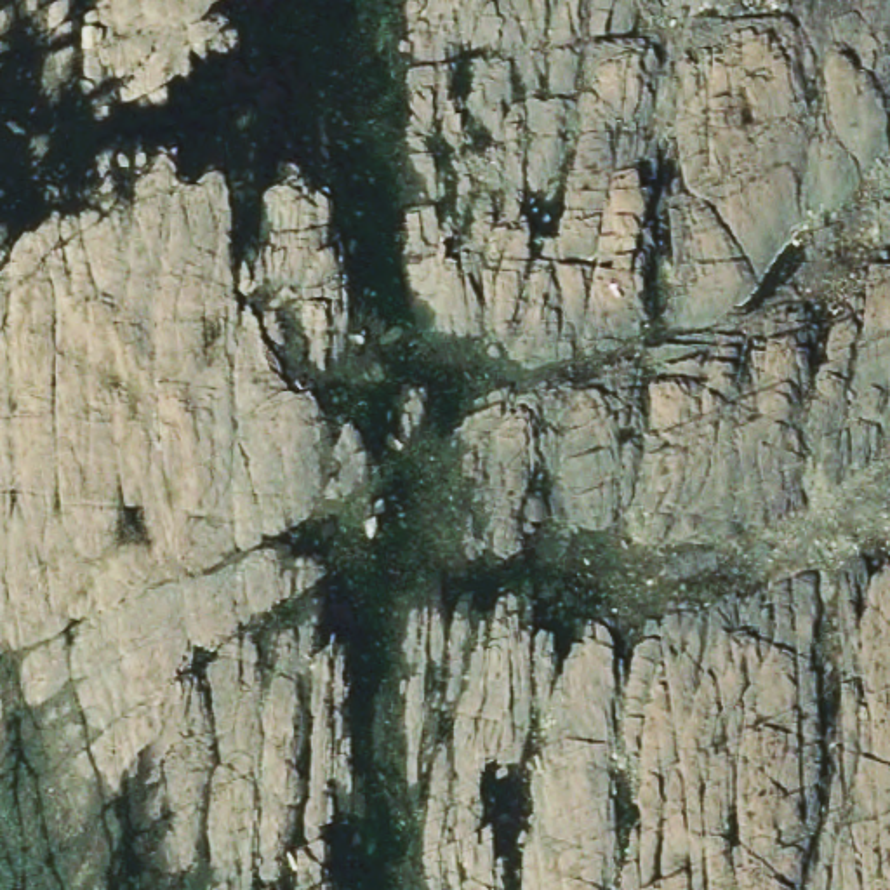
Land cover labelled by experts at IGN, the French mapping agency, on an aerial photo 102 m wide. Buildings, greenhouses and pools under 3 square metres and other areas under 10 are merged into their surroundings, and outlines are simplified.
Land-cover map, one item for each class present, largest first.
<instances>
[{"label":"bare soil","instance_id":"1","mask_svg":"<svg viewBox=\"0 0 890 890\"><path fill-rule=\"evenodd\" d=\"M216 0H0V56L10 49V21L28 10L31 21L52 31L45 42L52 56L42 70L45 94H56L59 83L90 90L104 76H118L122 101H163L167 83L174 76H188L191 56L229 52L236 45V31L226 24V17L205 21V10ZM400 52H414L417 59L407 73L410 167L400 174V188L403 198L414 205V212H407L403 243V264L414 296L435 313V327L442 334L483 337L487 358H515L521 369L567 362L581 351H626V362L601 369V375H594L584 389H574L570 382L549 389L546 382H539L535 393L494 389L487 396H476V414H469L459 424V435L466 442L462 473L473 480V501H483L490 525L476 539L473 521H462L466 556H515L518 549H528L539 553L542 563L574 570L577 577L608 588L612 605H598V615L591 619V626H584V636L581 643H574L567 661L553 654L549 633L518 629L515 594L497 598L490 619H442L428 608H414L407 615V681L400 685L407 737V796L410 807L424 817L428 890H890V0H407V38L400 42ZM268 247L257 257L250 254L243 268L229 264V191L223 174L209 170L198 177V184H188L177 177L174 160L163 149L156 156L101 153L97 191L90 195V205L80 216H49L38 229L24 233L21 240L0 226V650L21 664L24 699L42 716V741L49 747V775L42 782L52 834L76 838L83 831L90 803L97 807L101 800L118 793L122 775L129 772L136 782H149V817H156L167 807L174 810V827L163 838L167 869H188L195 862V841L209 838L216 869L212 890H327L323 824H330L334 810L327 800V779L351 793V737L344 730V654L337 640H330L323 650H313L316 619H302L299 629H285L275 636V668L257 671L254 643H236V626L250 622L254 615L275 608L292 594H302L320 581V567L313 560L261 549V535H278L282 528L299 525L306 518L337 515L341 532L365 528V535H375V518L382 515L375 466L365 459L355 428H341L337 445L327 442L316 400L309 393L296 396L285 389L278 365L268 358L261 344V330L282 341L278 306H292L309 337L313 365H323V358H337L344 344H365V334H355L348 327V289L341 285L334 254L327 250V195L306 188L299 163H285L282 184H275L264 195Z\"/></svg>","mask_w":890,"mask_h":890},{"label":"water","instance_id":"2","mask_svg":"<svg viewBox=\"0 0 890 890\"><path fill-rule=\"evenodd\" d=\"M226 17V24L236 31V45L229 52L191 56L188 76H174L167 83L163 101H122L118 76H104L90 90L59 83L56 94H45L42 70L52 56L45 42L52 31L31 21L28 10L10 21V49L0 56V226L21 240L24 233L38 229L49 216H80L90 205V195L97 191L101 153L156 156L163 149L174 160L177 177L188 184H198V177L209 170L223 174L229 191V264L243 268L250 254L257 257L268 247L264 195L275 184H282L285 163H299L306 188L327 195V250L334 254L341 285L348 289V327L355 334H365V344H344L337 358H323V365H313L309 337L292 306H278L282 341L261 330V344L268 358L278 365L285 389L296 396L309 393L316 400L327 442L337 445L341 428H355L365 459L375 466L382 515L375 518V535H365V528L341 532L337 515L306 518L299 525L282 528L278 535H261V549L313 560L320 567V581L302 594H292L275 608L254 615L250 622L236 626V643H254L257 671L275 668V636L285 629H299L302 619H316L313 650H323L330 640H337L344 654V730L351 737V793L327 779V800L334 810L330 824H323L327 890H428L424 817L410 807L407 796V737L400 685L407 681V615L414 608H428L442 619H490L497 598L515 594L518 629L549 633L553 654L567 661L574 643H581L584 636V626H591V619L598 615V605H612L608 588L577 577L574 570L542 563L539 553L528 549H518L515 556H466L462 521H473L476 539L490 525L483 501H473V480L462 473L466 442L459 435V424L469 414H476V396H487L494 389L535 393L539 382H546L549 389L570 382L574 389H584L594 375H601V369L626 362V351H581L567 362L521 369L515 358H487L483 337L442 334L435 327V313L414 296L403 264V243L407 212H414V205L403 198L400 188V174L410 167L407 73L417 59L414 52H400V42L407 38V0H216L205 10V21ZM49 775V747L42 741V716L24 699L21 664L0 650V890H212L216 869L209 838L195 841V862L188 869H167L163 838L174 827V810L167 807L156 817H149V782H136L129 772L122 775L118 793L101 800L97 807L90 803L83 831L76 838L52 834L42 782Z\"/></svg>","mask_w":890,"mask_h":890}]
</instances>
